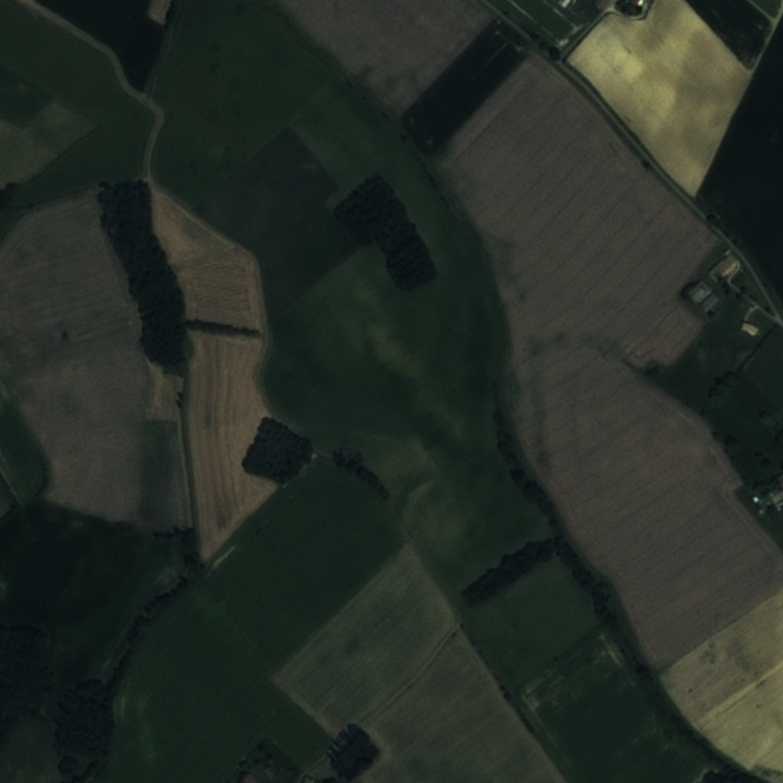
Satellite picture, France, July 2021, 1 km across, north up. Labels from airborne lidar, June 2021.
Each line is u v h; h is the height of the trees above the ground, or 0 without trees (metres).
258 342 0
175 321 21
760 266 0
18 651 18
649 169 9
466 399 0
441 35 0
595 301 0
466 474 0
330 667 0
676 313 0
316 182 0
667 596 0
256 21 0
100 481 0
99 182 0
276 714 0
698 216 0
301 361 0
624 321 0
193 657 0
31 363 0
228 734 0
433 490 0
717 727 0
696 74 0
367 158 0
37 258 0
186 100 0
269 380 0
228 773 0
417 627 0
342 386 0
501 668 0
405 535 0
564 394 0
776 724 0
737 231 0
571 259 0
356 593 0
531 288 0
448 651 0
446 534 0
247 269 0
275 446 16
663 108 0
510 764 0
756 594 0
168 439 0
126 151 0
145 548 0
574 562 15
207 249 0
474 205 0
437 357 0
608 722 0
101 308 0
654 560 0
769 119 0
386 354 0
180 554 0
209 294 0
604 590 7
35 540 0
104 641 0
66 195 0
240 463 0
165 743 0
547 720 0
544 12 0
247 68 0
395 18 0
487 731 0
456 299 0
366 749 33
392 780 0
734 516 0
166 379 0
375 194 11
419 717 0
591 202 0
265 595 0
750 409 0
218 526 0
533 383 0
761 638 0
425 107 0
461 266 0
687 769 0
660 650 0
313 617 0
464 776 0
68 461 0
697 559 0
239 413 0
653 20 0
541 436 0
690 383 0
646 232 0
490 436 0
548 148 0
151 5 0
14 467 0
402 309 0
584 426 0
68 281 0
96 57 0
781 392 0
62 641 0
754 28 0
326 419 0
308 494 0
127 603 0
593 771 0
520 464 6
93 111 0
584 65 0
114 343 0
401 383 0
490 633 0
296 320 0
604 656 0
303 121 0
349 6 0
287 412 0
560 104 0
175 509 0
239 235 0
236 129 0
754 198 0
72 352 0
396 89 0
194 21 0
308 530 0
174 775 0
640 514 0
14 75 0
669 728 0
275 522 0
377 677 0
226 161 0
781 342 0
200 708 0
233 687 0
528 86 0
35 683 19
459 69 0
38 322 0
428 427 0
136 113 0
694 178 0
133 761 0
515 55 0
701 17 0
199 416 0
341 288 0
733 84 0
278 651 0
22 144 0
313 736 0
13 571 0
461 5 0
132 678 0
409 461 0
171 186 0
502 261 0
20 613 0
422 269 23
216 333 9
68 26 0
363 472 16
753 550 0
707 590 0
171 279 21
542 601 0
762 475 0
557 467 0
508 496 0
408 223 16
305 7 0
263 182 0
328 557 0
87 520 0
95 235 0
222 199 0
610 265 0
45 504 0
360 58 0
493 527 0
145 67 0
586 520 0
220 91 0
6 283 0
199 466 0
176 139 0
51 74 0
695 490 0
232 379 0
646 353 0
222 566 0
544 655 0
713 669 0
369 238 16
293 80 0
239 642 0
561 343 0
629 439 0
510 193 0
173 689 0
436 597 0
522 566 17
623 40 0
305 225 0
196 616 0
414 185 0
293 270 0
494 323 0
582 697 0
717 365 0
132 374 0
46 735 0
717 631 0
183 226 0
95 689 16
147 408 0
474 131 0
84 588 0
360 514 0
